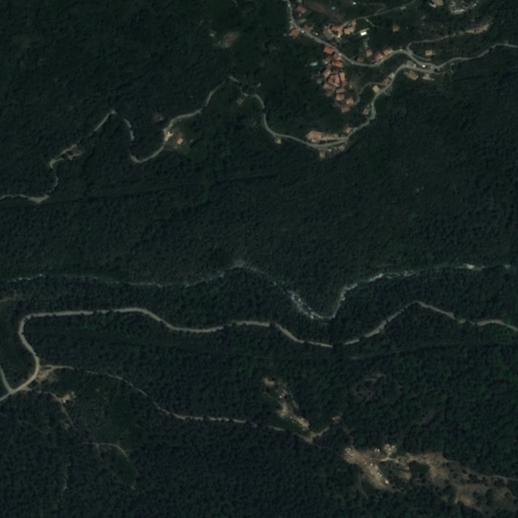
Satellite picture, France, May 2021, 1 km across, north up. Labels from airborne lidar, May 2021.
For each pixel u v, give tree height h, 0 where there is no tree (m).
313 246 14
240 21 8
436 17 7
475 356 26
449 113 16
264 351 22
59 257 16
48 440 8
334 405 29
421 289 19
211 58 8
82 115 24
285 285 9
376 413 19
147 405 26
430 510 13
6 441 19
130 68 17
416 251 13
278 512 26
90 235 16
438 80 0
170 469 21
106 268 12
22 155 11
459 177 10
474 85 16
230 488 23
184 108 8
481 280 13
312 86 9
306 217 10
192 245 20
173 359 16
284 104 13
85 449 19
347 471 13
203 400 20
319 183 8
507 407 15
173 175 28
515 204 8
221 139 20
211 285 8
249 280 9
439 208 11
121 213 24
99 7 18
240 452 26
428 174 11
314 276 9
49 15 14
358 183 13
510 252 7
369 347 13
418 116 11
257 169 23
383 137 10
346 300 10
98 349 10
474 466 10
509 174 24
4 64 13
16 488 24
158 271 11
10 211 16
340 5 7
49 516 8
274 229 8
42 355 10
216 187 12
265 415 25
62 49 16
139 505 28
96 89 16
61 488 27
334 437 9
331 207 22
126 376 9
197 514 14
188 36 6
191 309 15
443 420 13
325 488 31
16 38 21
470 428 13
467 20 6
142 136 17
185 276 7
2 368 8
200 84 6
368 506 14
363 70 6
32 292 24
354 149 13
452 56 7
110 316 13
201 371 27
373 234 18
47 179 13
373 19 7
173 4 10
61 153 11
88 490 7
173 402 27
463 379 30
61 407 8
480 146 13
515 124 17
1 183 21
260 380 13
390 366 13
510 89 18
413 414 17
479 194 27
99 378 12
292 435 22
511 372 15
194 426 22
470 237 18
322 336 14
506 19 9
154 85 16
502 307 13
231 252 16
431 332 15
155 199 7
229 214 17
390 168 14
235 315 13
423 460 0
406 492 13
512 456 10
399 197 15
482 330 9
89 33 12
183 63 14
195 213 20
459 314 25
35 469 29
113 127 21
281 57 9
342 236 13
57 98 18
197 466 19
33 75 19
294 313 6
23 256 25
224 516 19
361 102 6
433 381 22
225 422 11
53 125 16
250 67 0
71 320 18
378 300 11
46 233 15
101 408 8
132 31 15
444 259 17
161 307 7
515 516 9
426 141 11
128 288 20
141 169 15
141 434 7
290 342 27
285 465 7
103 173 19
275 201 15
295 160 7
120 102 19
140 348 10
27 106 14
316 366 23
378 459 0
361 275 9
